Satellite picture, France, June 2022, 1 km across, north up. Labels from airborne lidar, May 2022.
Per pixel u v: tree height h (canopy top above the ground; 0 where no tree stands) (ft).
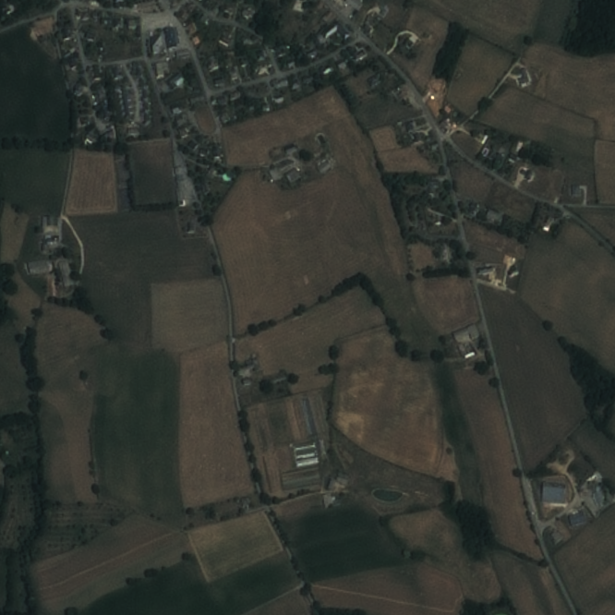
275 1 0
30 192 0
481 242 0
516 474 46
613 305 0
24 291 0
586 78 0
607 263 0
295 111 0
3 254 0
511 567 0
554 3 0
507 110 0
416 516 0
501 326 0
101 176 0
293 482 0
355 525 0
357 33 0
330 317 0
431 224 21
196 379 0
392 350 0
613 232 0
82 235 0
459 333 0
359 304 0
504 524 0
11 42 0
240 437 0
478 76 0
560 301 0
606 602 0
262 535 0
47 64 0
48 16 0
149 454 0
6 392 0
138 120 0
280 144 0
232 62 0
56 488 0
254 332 60
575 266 0
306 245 0
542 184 0
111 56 0
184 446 0
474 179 0
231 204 0
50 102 0
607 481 31
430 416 0
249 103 47
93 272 0
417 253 0
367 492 0
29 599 46
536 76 0
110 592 0
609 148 0
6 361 0
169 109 0
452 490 22
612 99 0
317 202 0
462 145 0
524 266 0
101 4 45
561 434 0
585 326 0
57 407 0
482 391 0
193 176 38
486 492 0
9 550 28
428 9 0
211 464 0
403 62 0
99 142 36
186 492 0
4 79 0
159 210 48
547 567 33
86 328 0
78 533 0
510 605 20
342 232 0
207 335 0
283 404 0
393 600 0
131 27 0
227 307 0
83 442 0
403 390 0
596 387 52
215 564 0
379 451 0
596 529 0
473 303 0
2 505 59
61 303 51
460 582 0
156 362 0
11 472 64
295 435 0
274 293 0
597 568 0
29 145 67
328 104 0
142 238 0
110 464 0
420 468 0
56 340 0
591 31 65
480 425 0
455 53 19
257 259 0
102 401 0
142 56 0
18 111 0
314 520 0
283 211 0
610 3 68
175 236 0
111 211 0
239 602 0
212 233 0
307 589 39
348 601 0
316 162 0
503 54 0
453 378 0
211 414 0
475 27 0
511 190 0
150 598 0
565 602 0
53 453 0
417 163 0
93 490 38
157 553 0
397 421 0
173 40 0
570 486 0
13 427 52
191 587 0
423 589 0
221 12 31
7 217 0
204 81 0
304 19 24
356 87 0
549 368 0
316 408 0
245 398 0
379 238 0
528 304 0
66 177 0
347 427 0
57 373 0
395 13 0
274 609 0
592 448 0
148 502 0
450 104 0
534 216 27
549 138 0
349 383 0
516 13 0
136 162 0
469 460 0
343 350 0
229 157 0
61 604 0
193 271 0
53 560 0
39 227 23
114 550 0
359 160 0
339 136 0
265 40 34
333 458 0
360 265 0
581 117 0
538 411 0
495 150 25
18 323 0
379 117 0
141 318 0
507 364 0
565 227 0
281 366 0
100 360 0
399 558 0
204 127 0
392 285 0
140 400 0
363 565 0
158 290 0
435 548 0
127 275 0
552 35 0
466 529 30
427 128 0
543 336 0
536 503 0
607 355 0
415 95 0
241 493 0
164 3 0
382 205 0
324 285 0
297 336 0
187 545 0
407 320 0
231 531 0
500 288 0
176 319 0
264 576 0
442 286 0
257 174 0
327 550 0
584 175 0
